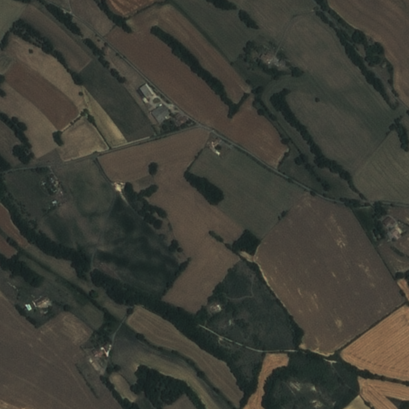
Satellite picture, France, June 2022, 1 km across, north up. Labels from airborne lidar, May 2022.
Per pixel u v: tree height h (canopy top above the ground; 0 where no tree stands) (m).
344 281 0
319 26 0
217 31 0
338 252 0
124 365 0
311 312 0
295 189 0
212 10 0
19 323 0
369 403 9
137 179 0
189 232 0
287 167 0
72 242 0
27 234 18
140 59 0
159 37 12
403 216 0
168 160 0
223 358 15
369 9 0
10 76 0
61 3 0
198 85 0
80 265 16
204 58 0
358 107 0
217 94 10
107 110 0
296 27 0
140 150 0
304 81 0
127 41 0
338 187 0
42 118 0
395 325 0
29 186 0
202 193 11
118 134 0
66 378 0
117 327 0
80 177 0
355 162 0
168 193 0
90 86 0
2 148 0
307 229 0
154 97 0
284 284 0
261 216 0
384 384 0
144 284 0
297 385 0
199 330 8
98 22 0
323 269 0
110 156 0
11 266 18
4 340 0
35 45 9
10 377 0
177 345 0
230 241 0
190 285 0
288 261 0
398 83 0
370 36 0
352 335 0
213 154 0
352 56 10
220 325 0
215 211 0
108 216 0
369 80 16
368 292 0
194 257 0
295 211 0
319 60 0
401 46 0
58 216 0
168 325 0
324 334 0
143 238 0
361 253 0
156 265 0
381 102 0
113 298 18
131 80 0
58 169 0
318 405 0
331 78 0
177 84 0
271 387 8
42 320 0
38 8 0
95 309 0
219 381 0
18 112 0
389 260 0
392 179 0
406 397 0
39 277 6
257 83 0
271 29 0
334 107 0
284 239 0
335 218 0
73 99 0
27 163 11
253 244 15
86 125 0
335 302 0
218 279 0
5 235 0
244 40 0
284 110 12
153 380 11
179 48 12
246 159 0
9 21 0
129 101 0
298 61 0
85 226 0
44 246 14
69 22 11
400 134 10
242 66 0
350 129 0
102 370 0
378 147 0
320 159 16
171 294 0
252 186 0
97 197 0
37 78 0
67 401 0
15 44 0
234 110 17
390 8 0
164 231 0
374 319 0
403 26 0
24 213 7
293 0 0
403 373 0
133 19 0
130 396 0
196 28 0
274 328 0
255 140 0
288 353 8
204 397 0
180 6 0
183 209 0
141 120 0
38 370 0
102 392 0
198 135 0
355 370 10
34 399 0
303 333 7
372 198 0
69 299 0
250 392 19
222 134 0
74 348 0
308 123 0
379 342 0
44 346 0
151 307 18
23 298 0
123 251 0
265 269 0
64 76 0
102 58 8
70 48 0
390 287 0
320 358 8
